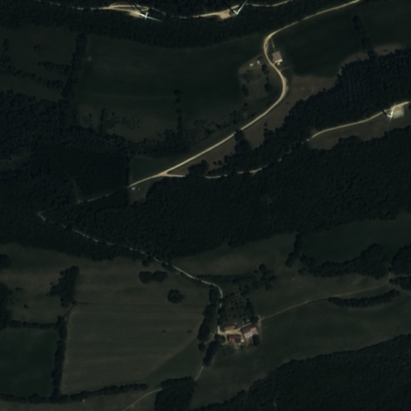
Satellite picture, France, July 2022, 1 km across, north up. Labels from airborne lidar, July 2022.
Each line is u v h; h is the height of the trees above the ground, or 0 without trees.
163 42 23
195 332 0
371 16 0
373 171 25
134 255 21
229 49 0
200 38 22
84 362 0
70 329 0
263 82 0
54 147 9
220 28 20
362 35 22
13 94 16
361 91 20
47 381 0
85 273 0
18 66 0
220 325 9
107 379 0
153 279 17
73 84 28
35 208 18
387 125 0
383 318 0
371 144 11
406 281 18
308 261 24
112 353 0
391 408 16
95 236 14
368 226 0
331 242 0
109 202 9
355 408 15
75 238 21
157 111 0
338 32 0
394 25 0
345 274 17
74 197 14
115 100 0
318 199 18
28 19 22
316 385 14
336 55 0
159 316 0
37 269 0
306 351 0
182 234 14
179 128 9
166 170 0
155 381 0
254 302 0
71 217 22
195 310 0
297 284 0
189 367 0
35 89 0
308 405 10
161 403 16
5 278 0
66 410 0
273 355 0
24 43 0
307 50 0
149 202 16
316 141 0
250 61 0
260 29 25
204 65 0
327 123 10
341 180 21
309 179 22
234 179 14
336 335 0
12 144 21
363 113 18
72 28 21
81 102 0
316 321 0
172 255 24
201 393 0
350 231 0
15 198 14
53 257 0
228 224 16
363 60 0
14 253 0
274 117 0
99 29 24
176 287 0
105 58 0
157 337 0
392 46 0
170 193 20
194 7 23
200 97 0
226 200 17
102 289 0
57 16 25
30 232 21
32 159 9
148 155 6
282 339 0
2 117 21
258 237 14
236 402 19
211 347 16
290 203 19
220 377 0
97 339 0
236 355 0
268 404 23
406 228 0
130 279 0
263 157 12
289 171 21
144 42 22
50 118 27
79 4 20
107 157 8
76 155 7
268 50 0
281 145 16
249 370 0
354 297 0
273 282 16
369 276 19
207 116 0
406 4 0
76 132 27
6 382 0
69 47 0
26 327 14
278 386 22
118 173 11
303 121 20
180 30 16
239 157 21
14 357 0
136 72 0
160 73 0
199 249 29
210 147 0
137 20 9
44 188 12
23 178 25
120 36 16
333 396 14
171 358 0
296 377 12
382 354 20
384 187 25
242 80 0
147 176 0
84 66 0
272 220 16
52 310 0
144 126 0
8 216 17
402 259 17
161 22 18
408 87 25
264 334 0
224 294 0
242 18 12
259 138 0
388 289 0
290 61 0
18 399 10
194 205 14
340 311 0
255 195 9
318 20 0
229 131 0
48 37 0
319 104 22
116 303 0
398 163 23
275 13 16
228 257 0
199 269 0
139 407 0
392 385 23
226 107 0
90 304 0
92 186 12
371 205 23
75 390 0
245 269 0
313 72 0
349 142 16
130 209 20
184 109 0
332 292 0
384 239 0
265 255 0
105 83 0
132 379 0
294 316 0
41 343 0
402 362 18
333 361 19
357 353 16
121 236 12
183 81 0
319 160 19
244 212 20
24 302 0
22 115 26
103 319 0
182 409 20
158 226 21
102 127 7
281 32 0
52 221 15
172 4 27
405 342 16
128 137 0
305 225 27
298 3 12
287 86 0
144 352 0
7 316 15
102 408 0
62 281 11
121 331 0
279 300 0
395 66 25
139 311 0
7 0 15
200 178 13
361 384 15
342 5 20
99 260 21
